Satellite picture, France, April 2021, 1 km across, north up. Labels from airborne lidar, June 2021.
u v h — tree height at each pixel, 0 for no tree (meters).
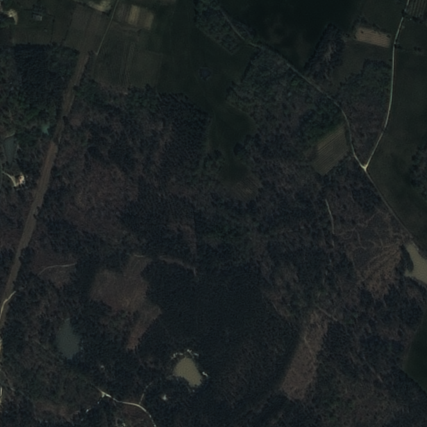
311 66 12
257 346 16
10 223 22
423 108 0
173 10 0
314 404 10
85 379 15
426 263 0
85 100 14
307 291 12
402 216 0
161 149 22
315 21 0
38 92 18
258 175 11
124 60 0
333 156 0
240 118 0
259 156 10
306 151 19
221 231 16
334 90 0
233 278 16
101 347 15
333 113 22
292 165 11
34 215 0
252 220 8
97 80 0
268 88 20
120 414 11
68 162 12
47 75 18
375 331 23
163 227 11
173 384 14
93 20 0
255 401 20
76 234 21
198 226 17
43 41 0
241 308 20
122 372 18
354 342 15
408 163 0
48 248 20
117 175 14
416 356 0
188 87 0
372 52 0
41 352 13
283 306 14
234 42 18
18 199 14
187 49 0
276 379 18
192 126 16
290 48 0
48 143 9
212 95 0
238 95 17
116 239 13
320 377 10
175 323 17
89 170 13
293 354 20
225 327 20
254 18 0
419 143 0
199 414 15
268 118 12
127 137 13
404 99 0
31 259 18
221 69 0
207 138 12
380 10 0
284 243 10
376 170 0
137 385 18
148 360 21
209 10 16
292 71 11
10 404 19
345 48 10
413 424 18
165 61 0
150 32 0
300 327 14
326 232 17
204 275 14
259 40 20
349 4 0
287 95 13
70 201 7
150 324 0
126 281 0
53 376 12
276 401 12
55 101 19
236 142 0
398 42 10
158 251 16
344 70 0
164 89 0
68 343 0
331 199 7
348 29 0
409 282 14
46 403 12
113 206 12
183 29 0
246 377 17
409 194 0
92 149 9
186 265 18
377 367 20
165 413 18
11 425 14
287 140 19
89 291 15
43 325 20
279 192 9
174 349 12
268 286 22
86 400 12
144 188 16
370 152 10
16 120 20
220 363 19
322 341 14
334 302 13
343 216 6
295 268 8
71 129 8
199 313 17
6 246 0
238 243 9
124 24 0
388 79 22
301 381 0
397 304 19
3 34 0
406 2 0
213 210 9
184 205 14
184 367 0
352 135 11
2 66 16
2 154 11
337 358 16
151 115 12
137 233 18
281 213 14
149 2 0
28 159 14
